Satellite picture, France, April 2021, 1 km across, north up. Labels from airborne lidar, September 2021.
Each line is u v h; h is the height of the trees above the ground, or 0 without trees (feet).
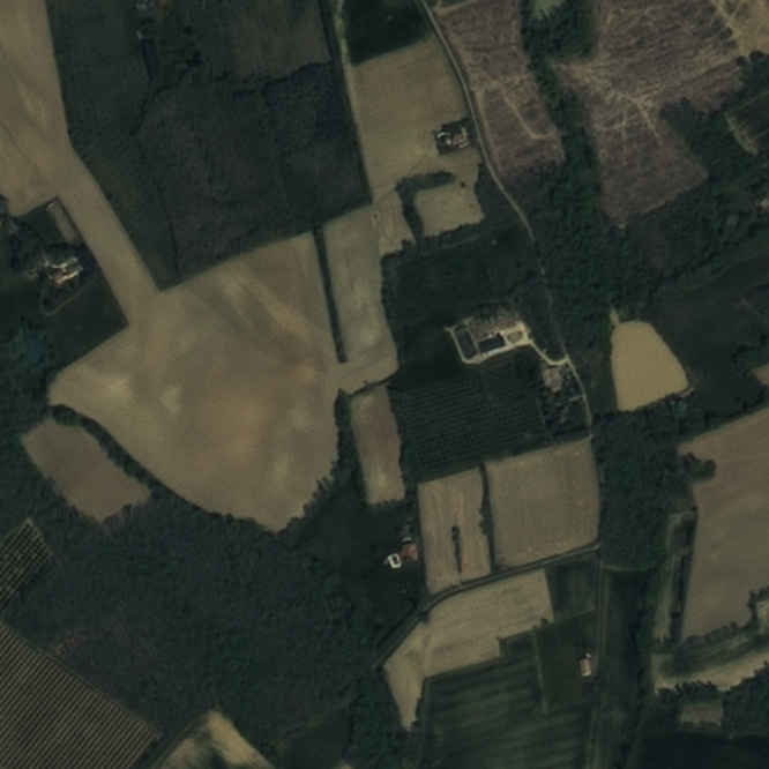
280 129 24
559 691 0
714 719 0
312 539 22
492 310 36
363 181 19
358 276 0
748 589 0
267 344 0
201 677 63
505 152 0
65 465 0
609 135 0
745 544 0
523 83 0
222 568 65
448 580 0
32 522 43
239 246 39
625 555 63
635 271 56
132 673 53
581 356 44
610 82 0
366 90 0
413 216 84
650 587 53
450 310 0
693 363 0
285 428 0
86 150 17
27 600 64
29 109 0
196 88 49
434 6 44
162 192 49
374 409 0
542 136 0
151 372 0
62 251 39
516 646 0
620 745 0
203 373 0
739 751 0
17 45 0
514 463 0
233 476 0
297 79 35
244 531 63
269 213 53
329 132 43
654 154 0
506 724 0
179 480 0
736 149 57
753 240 51
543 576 0
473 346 0
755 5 0
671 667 0
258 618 70
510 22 0
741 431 0
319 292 0
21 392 82
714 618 0
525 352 20
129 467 76
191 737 0
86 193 0
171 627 53
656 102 0
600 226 52
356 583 0
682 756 0
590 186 47
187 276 47
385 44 0
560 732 0
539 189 49
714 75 0
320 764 0
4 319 0
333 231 0
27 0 0
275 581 70
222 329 0
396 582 0
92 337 0
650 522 68
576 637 0
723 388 0
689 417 50
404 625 20
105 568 60
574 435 35
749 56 0
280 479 0
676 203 24
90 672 57
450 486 0
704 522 0
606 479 30
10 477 54
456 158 0
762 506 0
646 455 75
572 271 59
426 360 0
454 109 0
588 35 55
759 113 0
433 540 0
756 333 0
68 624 59
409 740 70
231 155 48
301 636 60
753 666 0
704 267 52
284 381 0
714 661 0
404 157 0
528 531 0
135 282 0
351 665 71
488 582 0
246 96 49
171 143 30
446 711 0
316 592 68
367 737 47
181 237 51
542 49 50
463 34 0
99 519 0
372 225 0
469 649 0
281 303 0
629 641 0
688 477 90
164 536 68
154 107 42
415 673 0
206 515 55
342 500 0
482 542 0
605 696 0
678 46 0
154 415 0
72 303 0
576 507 0
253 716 54
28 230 46
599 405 0
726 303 0
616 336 0
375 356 0
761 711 51
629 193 0
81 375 0
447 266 21
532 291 52
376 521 0
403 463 37
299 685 68
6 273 0
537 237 44
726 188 49
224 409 0
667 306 0
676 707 82
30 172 0
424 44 0
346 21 0
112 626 58
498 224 39
